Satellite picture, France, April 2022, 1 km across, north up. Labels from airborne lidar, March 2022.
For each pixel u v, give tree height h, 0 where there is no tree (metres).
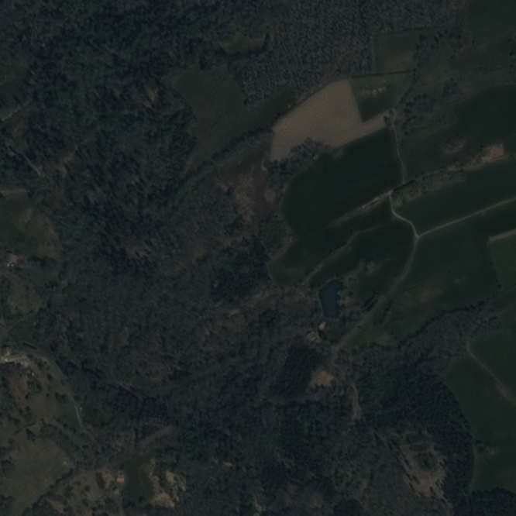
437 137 0
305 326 11
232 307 10
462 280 0
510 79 0
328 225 0
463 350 9
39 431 0
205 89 0
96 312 23
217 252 23
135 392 18
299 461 22
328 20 22
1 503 9
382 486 24
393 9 17
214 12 25
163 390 12
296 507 15
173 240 25
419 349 18
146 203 27
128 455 11
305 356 15
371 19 29
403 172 0
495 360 0
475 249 0
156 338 21
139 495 0
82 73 26
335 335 0
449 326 19
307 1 19
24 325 8
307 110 0
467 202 0
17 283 0
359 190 0
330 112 0
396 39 0
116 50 22
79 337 26
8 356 0
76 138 26
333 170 0
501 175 0
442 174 6
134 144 19
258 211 0
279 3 18
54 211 15
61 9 25
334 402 20
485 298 0
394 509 22
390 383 11
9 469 15
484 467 0
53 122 30
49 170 24
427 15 25
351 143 0
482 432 0
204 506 17
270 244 8
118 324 21
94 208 31
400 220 0
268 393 22
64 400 11
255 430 22
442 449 29
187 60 28
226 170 0
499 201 0
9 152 31
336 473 17
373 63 19
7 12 38
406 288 0
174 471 9
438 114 0
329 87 0
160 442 19
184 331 23
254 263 8
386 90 0
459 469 30
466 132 0
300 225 0
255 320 11
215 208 22
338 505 14
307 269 0
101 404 21
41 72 33
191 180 23
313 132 0
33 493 0
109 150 28
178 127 7
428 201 0
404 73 0
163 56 27
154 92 0
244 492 22
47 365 9
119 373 8
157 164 17
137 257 0
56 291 22
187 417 21
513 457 0
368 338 0
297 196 0
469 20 0
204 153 0
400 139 0
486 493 0
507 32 0
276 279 0
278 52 23
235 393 23
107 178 31
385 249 0
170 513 20
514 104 0
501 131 0
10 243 0
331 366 18
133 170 17
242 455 14
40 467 0
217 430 22
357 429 16
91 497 0
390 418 14
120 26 30
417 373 17
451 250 0
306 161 21
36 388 20
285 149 0
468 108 0
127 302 26
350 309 7
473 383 0
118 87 20
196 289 20
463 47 0
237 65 21
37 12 29
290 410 20
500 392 0
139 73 28
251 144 26
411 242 0
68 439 12
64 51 26
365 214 0
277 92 17
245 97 11
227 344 19
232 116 0
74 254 23
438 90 0
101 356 22
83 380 21
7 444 0
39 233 0
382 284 0
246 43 0
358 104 0
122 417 21
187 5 23
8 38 28
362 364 19
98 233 26
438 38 0
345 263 0
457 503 27
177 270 23
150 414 22
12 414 7
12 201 0
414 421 30
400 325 0
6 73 29
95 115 25
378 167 0
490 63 0
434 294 0
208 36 18
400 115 0
